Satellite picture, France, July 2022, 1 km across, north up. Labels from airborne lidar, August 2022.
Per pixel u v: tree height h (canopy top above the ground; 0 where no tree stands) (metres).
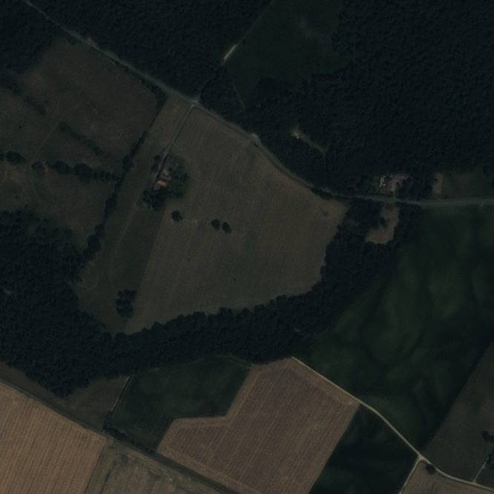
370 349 0
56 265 19
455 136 21
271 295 0
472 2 15
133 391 0
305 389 0
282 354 17
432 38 19
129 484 0
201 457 0
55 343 21
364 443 0
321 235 0
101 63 0
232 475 0
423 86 12
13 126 0
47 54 0
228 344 16
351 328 0
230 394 0
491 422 0
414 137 21
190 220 0
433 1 20
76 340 21
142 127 0
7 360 12
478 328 0
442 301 0
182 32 11
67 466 0
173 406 0
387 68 24
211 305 0
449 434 0
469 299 0
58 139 0
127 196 0
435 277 0
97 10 17
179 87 14
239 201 0
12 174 0
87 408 0
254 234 0
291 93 23
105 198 0
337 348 0
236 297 0
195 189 0
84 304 0
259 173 0
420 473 0
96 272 0
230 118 12
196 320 23
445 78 18
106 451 0
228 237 0
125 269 0
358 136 12
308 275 0
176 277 0
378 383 0
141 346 21
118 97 0
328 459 0
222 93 17
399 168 14
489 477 0
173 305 0
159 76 16
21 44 18
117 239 0
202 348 20
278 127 15
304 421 0
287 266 0
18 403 0
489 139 23
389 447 0
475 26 16
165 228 0
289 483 0
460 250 0
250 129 10
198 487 0
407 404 0
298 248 0
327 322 18
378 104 22
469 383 0
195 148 0
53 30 15
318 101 16
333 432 0
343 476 0
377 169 21
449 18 17
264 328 16
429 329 0
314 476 0
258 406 0
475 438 0
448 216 0
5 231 21
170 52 18
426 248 0
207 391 0
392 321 0
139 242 0
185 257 0
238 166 0
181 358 22
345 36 15
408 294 0
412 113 19
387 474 0
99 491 0
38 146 0
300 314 21
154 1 13
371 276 18
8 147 0
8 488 0
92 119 0
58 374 8
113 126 0
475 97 20
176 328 19
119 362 18
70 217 0
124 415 0
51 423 0
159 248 0
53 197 0
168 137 0
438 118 18
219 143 0
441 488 0
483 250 0
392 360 0
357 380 0
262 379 0
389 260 20
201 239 0
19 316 25
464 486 0
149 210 0
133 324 0
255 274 0
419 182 13
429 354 0
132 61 12
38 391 0
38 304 24
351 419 0
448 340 0
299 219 0
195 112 0
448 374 0
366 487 0
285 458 0
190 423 0
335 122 15
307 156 16
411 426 0
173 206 0
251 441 0
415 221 11
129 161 19
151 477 0
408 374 0
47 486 0
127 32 17
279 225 0
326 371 0
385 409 0
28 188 0
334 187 19
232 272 0
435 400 0
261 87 6
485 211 0
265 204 0
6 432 0
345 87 15
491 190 0
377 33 22
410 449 0
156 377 0
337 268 21
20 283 22
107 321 0
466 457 0
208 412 0
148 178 0
